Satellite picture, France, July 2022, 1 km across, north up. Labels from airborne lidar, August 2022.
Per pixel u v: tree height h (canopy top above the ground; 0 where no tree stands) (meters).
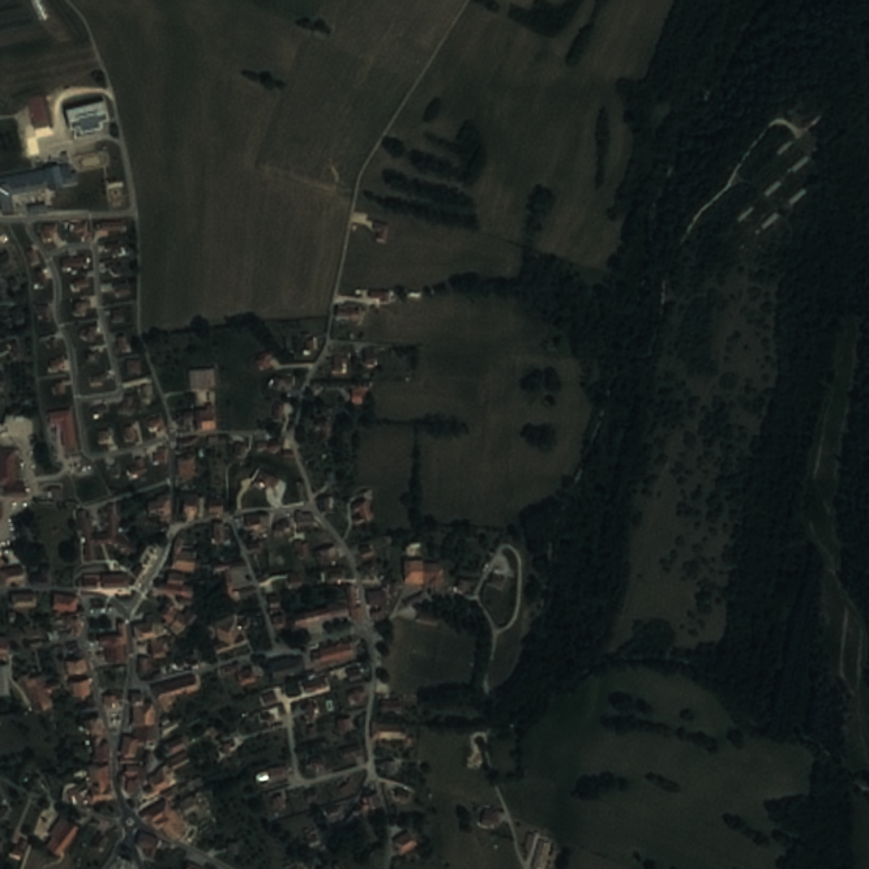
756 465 11
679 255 6
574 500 16
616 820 0
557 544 10
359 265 0
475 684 11
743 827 12
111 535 0
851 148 11
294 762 0
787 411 18
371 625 0
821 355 21
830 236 14
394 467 0
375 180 0
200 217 0
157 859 8
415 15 0
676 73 6
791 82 16
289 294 0
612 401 11
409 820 10
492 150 0
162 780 0
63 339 0
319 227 0
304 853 12
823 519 0
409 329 0
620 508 8
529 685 20
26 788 12
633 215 16
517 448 0
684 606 0
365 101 0
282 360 13
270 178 0
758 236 0
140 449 0
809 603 16
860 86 12
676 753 0
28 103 0
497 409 0
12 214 0
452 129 0
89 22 0
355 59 0
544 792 0
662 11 0
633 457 7
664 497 0
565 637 12
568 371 0
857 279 16
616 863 0
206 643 6
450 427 14
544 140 0
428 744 0
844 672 0
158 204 0
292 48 0
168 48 0
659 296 11
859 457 12
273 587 0
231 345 0
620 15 0
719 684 15
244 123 0
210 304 0
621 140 0
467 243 0
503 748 0
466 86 0
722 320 0
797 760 0
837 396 0
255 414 0
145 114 0
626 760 0
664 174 11
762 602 21
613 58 0
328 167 0
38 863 0
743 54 6
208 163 0
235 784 6
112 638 0
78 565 0
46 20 0
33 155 0
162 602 6
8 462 0
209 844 6
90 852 0
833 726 18
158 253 0
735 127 20
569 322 9
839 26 17
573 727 0
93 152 0
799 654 17
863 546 17
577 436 0
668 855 0
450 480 0
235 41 0
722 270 6
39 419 0
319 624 0
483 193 0
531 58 0
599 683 0
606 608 6
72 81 0
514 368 0
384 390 0
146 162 0
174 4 0
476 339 0
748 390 7
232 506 11
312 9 0
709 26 8
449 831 0
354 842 20
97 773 0
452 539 10
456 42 0
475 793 0
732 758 0
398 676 0
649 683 0
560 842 0
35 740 0
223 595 10
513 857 0
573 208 0
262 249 0
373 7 0
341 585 7
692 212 8
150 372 0
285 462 0
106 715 0
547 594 13
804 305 8
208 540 6
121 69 0
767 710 12
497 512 0
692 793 0
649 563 0
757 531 16
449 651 0
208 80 0
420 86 0
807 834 14
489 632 14
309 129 0
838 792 20
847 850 18
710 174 19
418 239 0
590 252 0
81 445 0
